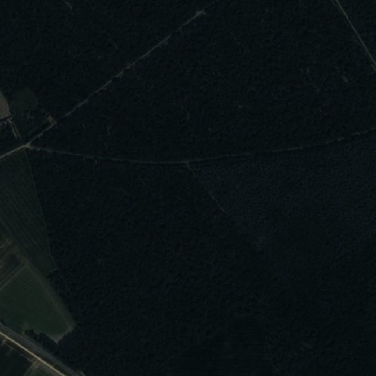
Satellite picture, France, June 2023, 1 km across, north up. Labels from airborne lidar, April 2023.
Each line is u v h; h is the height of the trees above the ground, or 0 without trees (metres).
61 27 22
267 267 24
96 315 20
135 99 19
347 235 24
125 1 16
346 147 23
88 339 26
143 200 23
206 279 17
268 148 19
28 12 21
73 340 30
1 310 0
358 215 26
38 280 0
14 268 0
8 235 0
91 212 21
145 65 17
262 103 17
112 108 20
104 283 14
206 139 21
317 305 23
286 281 22
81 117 21
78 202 22
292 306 26
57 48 20
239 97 19
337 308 22
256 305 24
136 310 20
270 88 22
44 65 19
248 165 24
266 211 20
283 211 22
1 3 18
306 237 18
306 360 18
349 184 27
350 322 18
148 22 23
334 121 25
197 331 18
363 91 24
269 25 23
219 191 25
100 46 24
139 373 26
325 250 22
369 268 22
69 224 25
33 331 12
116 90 17
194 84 20
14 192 0
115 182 19
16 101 0
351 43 18
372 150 20
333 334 24
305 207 21
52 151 0
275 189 25
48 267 0
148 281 20
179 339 15
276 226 18
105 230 21
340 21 20
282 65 21
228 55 20
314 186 20
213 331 15
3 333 0
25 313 0
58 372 0
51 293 0
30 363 0
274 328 21
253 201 24
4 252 0
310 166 21
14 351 0
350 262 20
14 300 0
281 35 18
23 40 21
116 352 27
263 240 22
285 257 20
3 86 11
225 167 20
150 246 21
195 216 23
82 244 20
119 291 20
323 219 20
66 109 16
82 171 16
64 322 0
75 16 23
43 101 14
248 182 26
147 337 22
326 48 25
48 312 0
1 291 0
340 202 24
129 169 17
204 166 16
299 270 20
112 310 21
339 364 23
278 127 20
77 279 18
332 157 25
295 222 25
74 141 18
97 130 19
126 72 13
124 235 19
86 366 27
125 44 18
